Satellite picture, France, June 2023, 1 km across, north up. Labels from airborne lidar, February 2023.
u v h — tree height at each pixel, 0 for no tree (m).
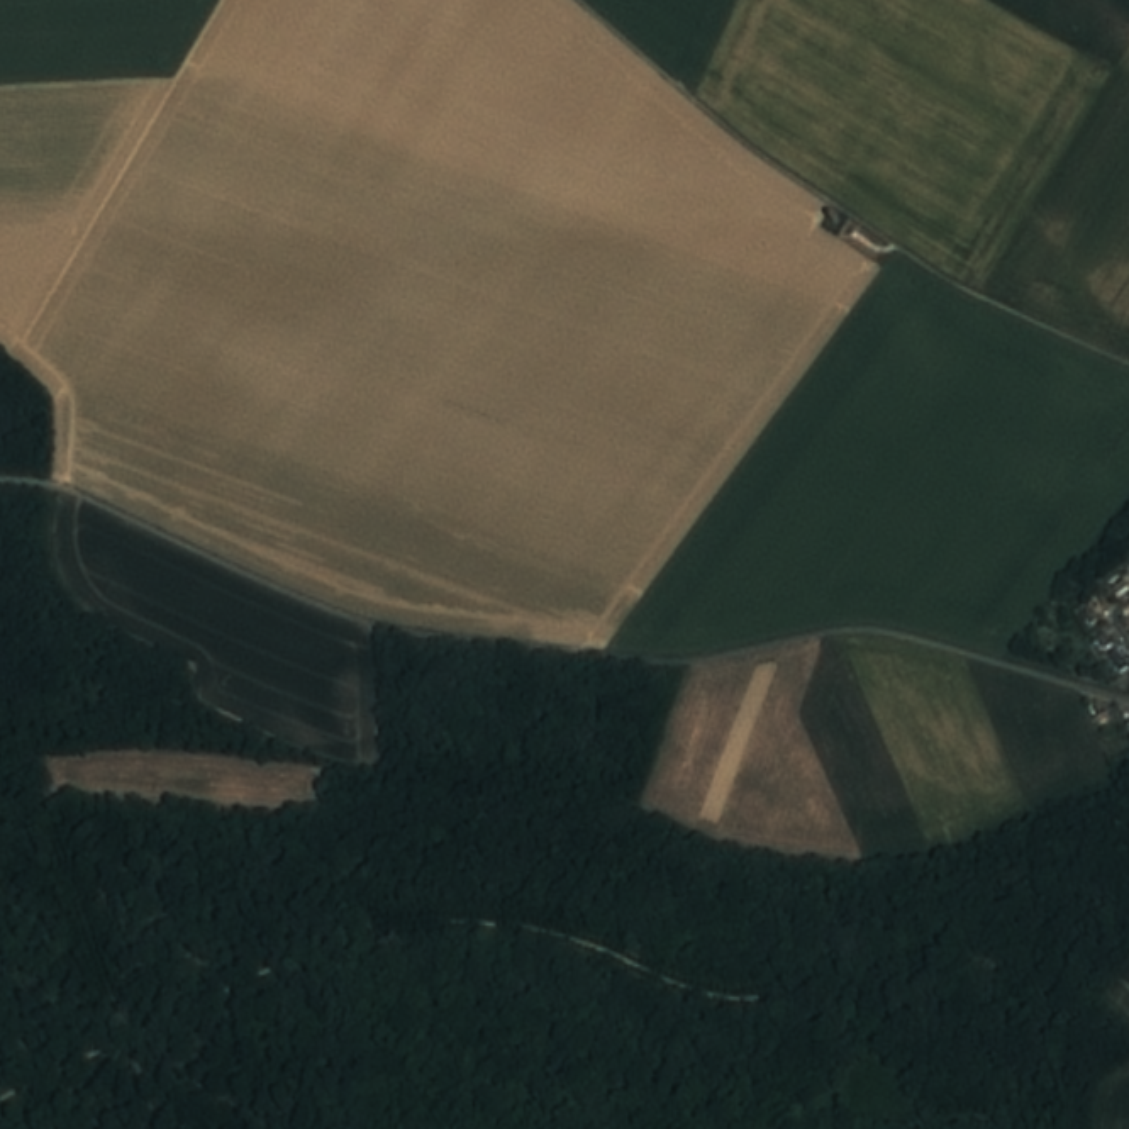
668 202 0
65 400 0
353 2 0
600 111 0
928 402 0
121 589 0
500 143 0
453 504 0
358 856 19
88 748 20
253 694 0
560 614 0
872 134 0
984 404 0
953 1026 26
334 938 24
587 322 0
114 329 0
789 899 24
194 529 0
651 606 0
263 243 0
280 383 0
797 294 0
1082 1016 23
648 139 0
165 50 0
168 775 0
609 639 0
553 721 20
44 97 0
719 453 0
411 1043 22
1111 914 21
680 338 0
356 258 0
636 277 0
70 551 0
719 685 0
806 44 0
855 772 0
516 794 19
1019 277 0
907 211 0
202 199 0
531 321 0
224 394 0
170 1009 23
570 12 0
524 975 24
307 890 26
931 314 0
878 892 26
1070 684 0
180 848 21
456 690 24
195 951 26
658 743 16
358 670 0
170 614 0
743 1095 21
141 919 21
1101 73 0
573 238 0
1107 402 0
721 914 22
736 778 0
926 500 0
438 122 0
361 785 16
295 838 23
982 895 23
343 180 0
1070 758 0
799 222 0
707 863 24
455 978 23
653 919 21
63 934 24
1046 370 0
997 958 22
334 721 0
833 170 0
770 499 0
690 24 0
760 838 0
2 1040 26
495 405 0
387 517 0
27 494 18
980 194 0
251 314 0
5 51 0
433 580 0
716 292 0
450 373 0
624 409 0
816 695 0
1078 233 0
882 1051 24
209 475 0
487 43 0
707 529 0
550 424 0
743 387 0
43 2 0
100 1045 27
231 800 0
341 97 0
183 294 0
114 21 0
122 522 0
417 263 0
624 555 0
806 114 0
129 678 17
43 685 22
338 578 0
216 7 0
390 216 0
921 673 0
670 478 0
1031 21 0
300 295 0
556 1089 18
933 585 0
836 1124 21
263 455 0
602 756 23
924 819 0
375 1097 21
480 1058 19
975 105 0
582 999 25
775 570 0
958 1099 22
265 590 0
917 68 0
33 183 0
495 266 0
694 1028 23
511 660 20
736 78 0
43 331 0
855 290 0
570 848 15
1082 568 14
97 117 0
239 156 0
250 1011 23
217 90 0
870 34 0
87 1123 22
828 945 24
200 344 0
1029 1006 19
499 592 0
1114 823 22
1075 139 0
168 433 0
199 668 0
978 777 0
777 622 0
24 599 16
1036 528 0
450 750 24
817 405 0
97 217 0
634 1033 23
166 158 0
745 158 0
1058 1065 21
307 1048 23
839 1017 21
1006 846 20
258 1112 21
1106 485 0
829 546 0
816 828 0
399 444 0
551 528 0
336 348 0
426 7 0
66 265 0
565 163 0
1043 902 17
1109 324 0
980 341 0
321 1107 19
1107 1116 0
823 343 0
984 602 0
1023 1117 19
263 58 0
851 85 0
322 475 0
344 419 0
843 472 0
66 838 6
